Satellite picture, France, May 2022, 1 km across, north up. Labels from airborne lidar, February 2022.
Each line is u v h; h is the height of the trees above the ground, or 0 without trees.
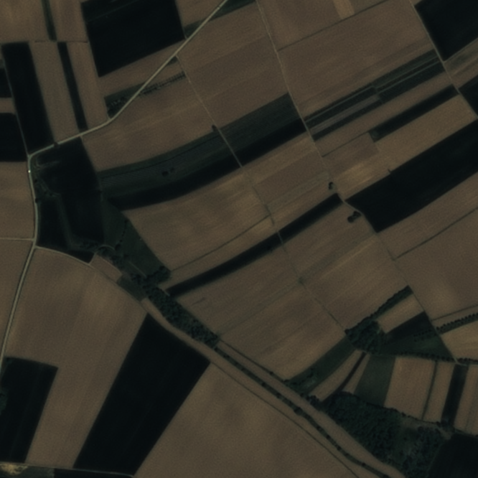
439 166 0
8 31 0
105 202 0
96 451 0
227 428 0
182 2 0
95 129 0
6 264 0
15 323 0
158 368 0
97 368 0
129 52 0
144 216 0
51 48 0
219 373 0
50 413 0
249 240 0
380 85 0
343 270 0
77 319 0
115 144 0
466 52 0
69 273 0
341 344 0
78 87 0
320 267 0
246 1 0
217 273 0
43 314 0
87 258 0
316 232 0
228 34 0
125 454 0
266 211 0
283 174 0
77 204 0
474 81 0
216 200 0
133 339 0
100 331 0
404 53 0
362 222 0
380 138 0
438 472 0
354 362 0
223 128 0
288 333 0
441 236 0
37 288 0
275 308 0
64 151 0
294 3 0
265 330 0
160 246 0
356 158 0
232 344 0
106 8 0
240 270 0
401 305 0
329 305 0
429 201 0
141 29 0
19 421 0
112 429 0
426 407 0
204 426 0
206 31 0
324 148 0
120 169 0
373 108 0
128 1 0
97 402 0
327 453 0
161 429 0
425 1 0
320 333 0
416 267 0
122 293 0
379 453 16
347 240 0
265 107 0
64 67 0
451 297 0
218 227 0
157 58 0
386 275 0
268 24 0
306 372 0
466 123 0
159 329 0
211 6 0
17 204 0
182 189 0
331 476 0
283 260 0
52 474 0
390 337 0
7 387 0
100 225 0
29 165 0
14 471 0
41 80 0
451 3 0
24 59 0
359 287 0
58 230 0
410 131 0
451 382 0
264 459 0
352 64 0
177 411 0
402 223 0
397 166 0
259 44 0
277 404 0
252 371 0
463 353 0
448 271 0
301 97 0
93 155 0
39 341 0
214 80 0
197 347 0
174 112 0
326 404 0
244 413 0
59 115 0
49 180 0
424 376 0
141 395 0
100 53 0
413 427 0
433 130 0
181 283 0
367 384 0
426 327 0
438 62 0
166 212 0
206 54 0
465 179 0
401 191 0
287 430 0
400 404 0
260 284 0
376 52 0
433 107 0
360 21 0
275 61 0
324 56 0
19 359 0
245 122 0
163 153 0
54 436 0
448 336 0
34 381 0
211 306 0
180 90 0
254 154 0
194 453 0
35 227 0
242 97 0
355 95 0
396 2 0
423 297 0
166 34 0
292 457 0
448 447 0
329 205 0
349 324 0
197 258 0
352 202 0
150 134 0
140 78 0
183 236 0
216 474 0
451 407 0
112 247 0
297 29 0
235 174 0
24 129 0
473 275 0
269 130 0
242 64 0
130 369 0
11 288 0
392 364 0
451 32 0
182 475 0
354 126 0
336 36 0
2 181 0
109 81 0
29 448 0
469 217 0
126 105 0
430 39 0
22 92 0
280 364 0
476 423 0
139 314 0
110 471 0
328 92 0
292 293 0
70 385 0
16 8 0
